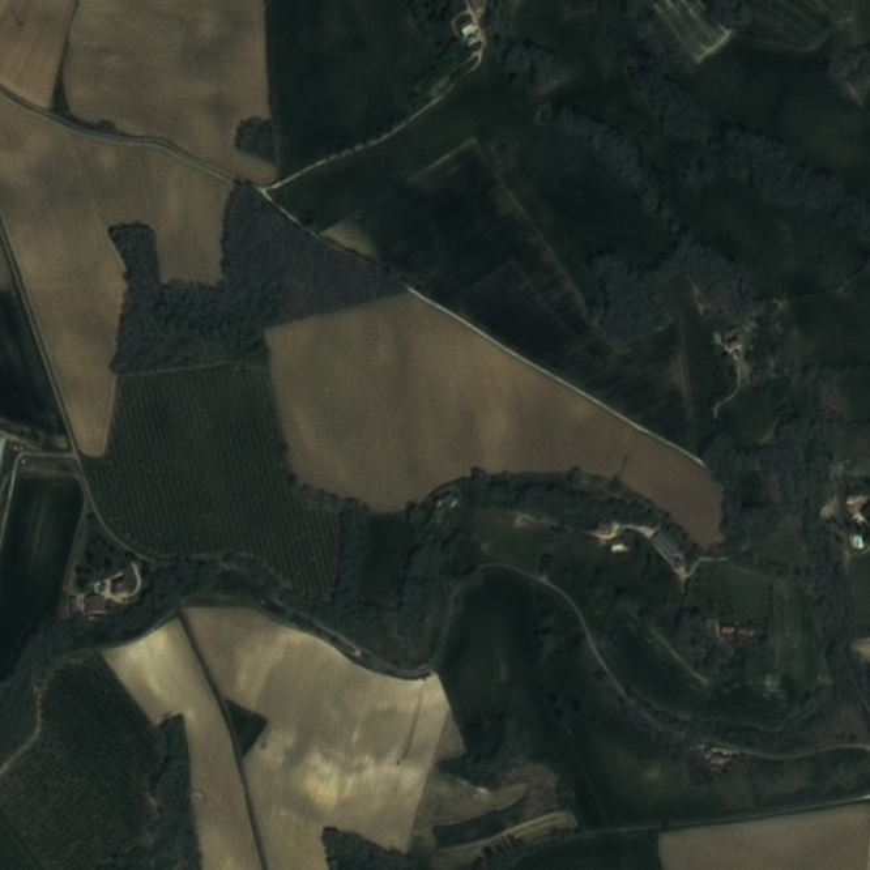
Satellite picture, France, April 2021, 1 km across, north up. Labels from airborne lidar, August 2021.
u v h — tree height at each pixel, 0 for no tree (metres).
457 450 0
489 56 0
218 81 0
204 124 0
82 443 0
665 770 0
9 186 0
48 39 0
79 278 0
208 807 0
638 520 14
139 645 0
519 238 0
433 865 0
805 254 0
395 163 0
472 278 0
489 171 0
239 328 15
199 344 18
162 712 0
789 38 0
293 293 16
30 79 0
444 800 0
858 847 0
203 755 0
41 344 0
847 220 27
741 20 19
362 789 0
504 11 14
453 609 19
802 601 0
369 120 0
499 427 0
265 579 21
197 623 0
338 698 0
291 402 0
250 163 0
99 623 18
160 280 15
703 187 0
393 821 0
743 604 0
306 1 0
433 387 0
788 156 16
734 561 11
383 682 0
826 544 18
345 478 0
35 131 0
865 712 8
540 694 0
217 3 0
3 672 0
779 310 12
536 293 0
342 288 15
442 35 0
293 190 0
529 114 0
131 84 0
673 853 0
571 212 0
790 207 17
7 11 0
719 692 0
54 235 0
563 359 0
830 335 0
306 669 0
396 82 0
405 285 14
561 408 0
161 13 0
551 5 0
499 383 0
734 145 25
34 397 0
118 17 0
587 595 0
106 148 0
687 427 0
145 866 13
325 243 18
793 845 0
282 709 0
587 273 0
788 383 0
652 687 0
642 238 0
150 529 5
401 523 0
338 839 15
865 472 0
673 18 0
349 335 0
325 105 0
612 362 0
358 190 0
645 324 21
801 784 0
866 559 0
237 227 16
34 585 0
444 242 0
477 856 0
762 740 25
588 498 12
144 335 18
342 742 0
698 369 0
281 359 0
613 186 0
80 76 0
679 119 21
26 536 0
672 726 13
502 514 0
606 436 0
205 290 16
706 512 0
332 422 0
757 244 0
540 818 0
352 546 16
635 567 0
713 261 28
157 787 19
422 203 0
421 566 16
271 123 7
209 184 0
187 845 15
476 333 0
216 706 0
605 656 0
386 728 0
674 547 0
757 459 22
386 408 0
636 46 0
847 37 0
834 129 0
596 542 0
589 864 0
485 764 13
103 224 0
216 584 17
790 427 19
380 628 13
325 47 0
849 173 0
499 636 0
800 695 0
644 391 0
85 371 0
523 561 0
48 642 20
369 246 0
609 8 8
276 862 0
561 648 11
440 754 0
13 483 0
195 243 0
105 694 6
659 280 17
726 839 0
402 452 0
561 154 0
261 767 0
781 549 0
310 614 19
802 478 20
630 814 0
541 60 20
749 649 17
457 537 8
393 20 0
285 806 0
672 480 0
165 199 0
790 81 0
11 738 18
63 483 0
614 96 0
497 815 5
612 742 0
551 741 0
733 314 9
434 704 0
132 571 13
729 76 0
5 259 0
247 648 0
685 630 14
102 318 0
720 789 0
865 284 0
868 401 0
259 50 0
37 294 0
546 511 26
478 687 0
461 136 0
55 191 0
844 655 21
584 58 0
